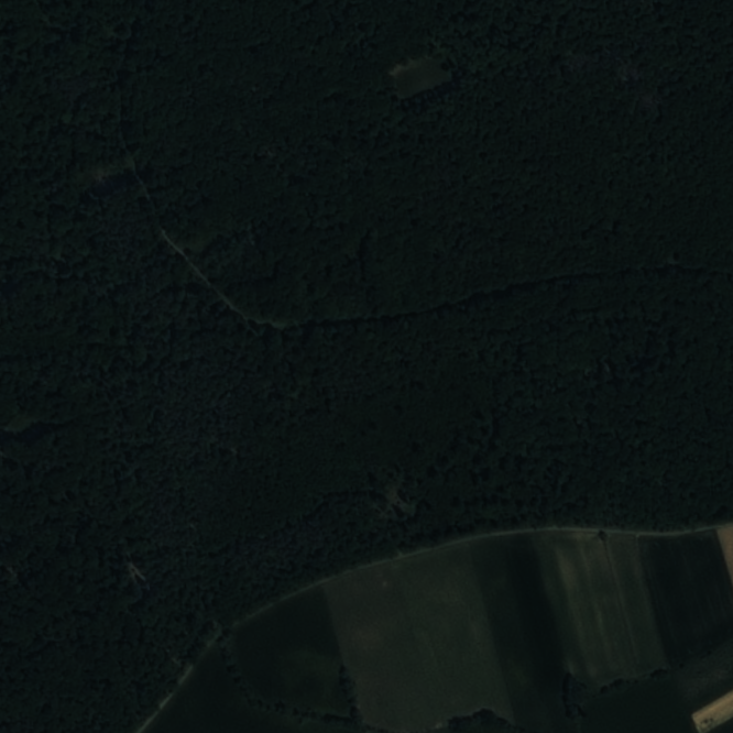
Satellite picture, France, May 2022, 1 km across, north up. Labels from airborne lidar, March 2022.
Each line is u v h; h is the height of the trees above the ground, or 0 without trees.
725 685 0
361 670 0
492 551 0
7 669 33
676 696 0
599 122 26
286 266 31
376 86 31
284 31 30
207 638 27
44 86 26
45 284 30
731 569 0
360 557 26
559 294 24
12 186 31
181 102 28
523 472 24
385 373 28
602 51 24
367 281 25
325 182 27
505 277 27
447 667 0
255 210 28
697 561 0
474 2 31
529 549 0
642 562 0
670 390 31
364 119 30
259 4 30
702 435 29
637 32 24
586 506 24
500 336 27
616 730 0
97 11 30
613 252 24
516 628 0
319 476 22
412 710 0
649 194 28
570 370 33
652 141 27
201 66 31
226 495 21
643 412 31
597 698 0
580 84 24
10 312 28
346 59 28
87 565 33
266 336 28
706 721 0
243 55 28
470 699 0
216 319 29
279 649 0
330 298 23
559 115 25
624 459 26
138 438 21
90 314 30
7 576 27
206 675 0
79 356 17
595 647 0
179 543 20
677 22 24
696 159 27
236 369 26
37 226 34
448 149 30
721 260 20
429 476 33
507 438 31
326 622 0
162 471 28
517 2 32
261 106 27
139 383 34
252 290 30
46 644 29
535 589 0
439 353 29
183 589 29
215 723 0
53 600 33
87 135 28
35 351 18
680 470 25
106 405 20
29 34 30
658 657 0
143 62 29
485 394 15
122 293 33
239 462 17
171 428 28
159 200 23
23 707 30
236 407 29
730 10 26
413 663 0
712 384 28
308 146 25
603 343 31
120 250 29
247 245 25
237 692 0
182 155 29
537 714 0
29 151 30
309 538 27
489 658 0
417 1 31
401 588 0
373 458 14
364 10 32
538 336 33
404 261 29
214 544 22
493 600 0
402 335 29
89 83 28
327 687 0
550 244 24
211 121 26
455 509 31
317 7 29
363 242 28
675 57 26
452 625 0
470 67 24
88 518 31
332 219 26
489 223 26
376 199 27
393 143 30
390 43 32
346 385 30
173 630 32
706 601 0
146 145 29
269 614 0
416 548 10
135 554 20
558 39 26
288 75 29
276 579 28
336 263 25
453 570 0
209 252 12
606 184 26
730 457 28
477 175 28
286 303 25
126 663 32
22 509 27
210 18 30
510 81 26
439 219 29
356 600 0
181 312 37
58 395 31
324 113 31
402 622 0
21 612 32
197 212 30
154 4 28
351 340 30
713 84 26
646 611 0
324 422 23
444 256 24
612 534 0
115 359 32
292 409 31
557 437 31
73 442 29
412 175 30
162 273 29
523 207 27
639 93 26
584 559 0
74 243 30
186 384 29
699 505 24
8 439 27
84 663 32
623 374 30
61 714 29
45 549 32
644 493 26
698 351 27
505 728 15
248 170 28
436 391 17
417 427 16
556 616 0
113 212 30
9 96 30
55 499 30
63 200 28
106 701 29
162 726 0
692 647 0
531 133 24
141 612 31
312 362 25
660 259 25
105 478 30
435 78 0
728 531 0
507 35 32
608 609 0
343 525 28
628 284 29
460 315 30
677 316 31
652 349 31
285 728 0
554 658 0
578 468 32
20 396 30
